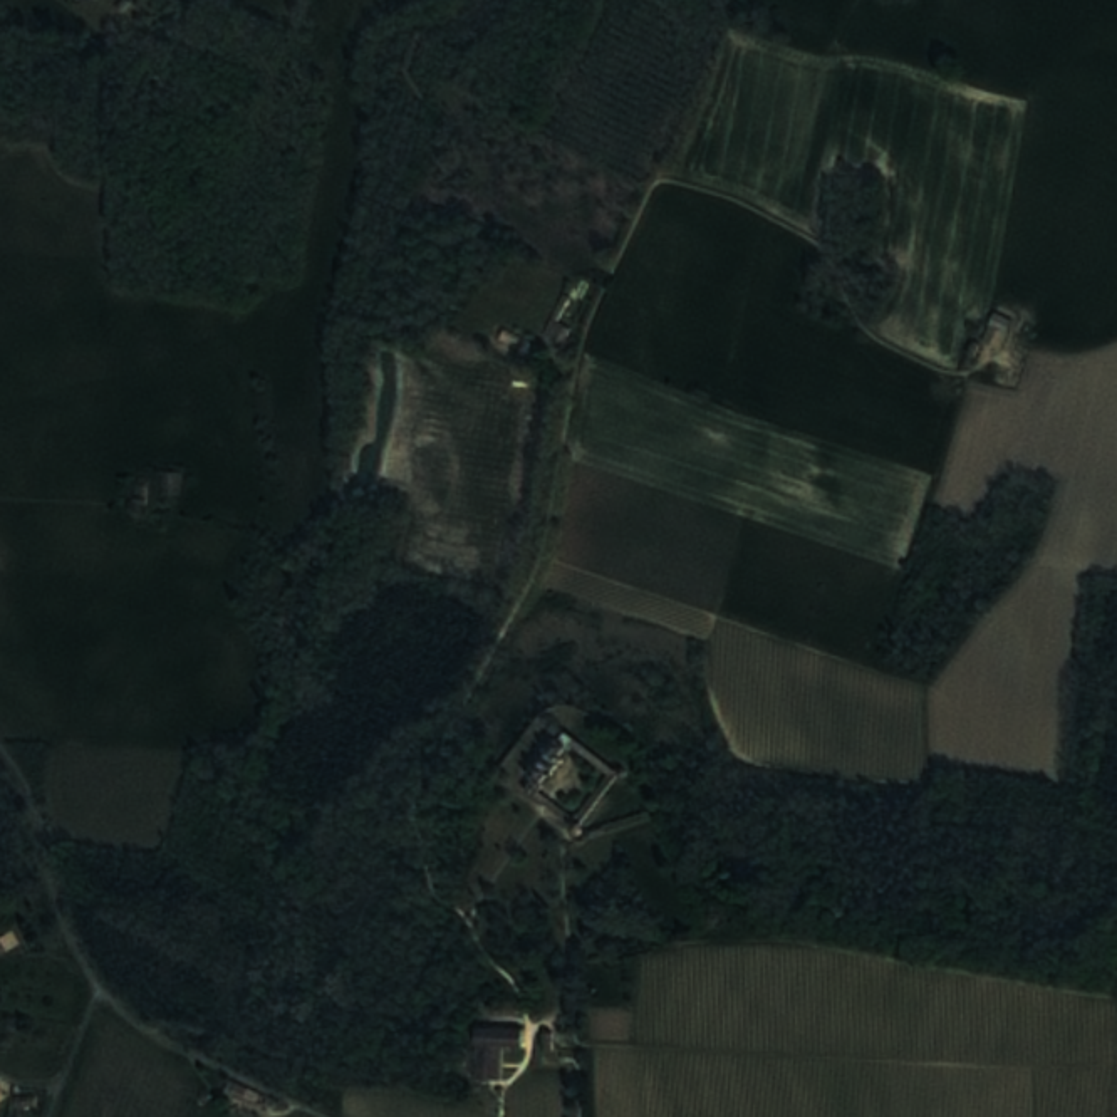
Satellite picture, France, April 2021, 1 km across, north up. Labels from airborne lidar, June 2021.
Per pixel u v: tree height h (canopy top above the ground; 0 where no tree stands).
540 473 28
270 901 17
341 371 19
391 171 15
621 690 0
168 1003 9
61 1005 0
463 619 10
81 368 0
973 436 0
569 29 21
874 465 0
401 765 24
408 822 24
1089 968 19
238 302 26
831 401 0
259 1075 20
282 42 21
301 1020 24
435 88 12
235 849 15
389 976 21
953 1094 0
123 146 21
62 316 0
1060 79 0
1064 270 0
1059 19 0
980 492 0
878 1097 0
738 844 24
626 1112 0
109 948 13
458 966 16
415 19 24
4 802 23
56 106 18
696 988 0
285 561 16
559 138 17
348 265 18
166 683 0
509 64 21
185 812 10
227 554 0
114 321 0
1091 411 0
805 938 18
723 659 0
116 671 0
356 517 28
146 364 0
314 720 16
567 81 23
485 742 20
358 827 23
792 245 0
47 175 0
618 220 13
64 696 0
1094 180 0
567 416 26
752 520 0
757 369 0
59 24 20
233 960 17
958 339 0
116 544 0
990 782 15
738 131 0
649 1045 0
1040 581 0
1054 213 0
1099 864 21
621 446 0
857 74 0
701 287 0
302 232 19
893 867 20
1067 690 16
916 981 0
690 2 20
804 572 0
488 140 9
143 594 0
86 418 0
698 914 16
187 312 0
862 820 20
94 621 0
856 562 0
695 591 0
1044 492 13
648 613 0
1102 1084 0
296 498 0
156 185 24
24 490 0
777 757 0
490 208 0
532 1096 0
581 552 0
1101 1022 0
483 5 19
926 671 11
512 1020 0
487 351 20
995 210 0
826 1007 0
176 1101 0
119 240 17
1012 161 0
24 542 0
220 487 0
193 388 0
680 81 19
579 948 16
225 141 24
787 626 0
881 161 0
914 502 0
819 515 0
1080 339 0
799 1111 0
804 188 0
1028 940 21
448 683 13
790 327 0
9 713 0
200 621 0
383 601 14
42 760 8
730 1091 0
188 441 0
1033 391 0
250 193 24
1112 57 0
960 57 13
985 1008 0
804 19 0
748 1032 0
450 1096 11
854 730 0
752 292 0
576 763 10
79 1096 0
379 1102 0
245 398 0
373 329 19
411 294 19
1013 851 25
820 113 0
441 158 18
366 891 24
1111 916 27
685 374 0
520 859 18
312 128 23
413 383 0
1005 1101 0
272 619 6
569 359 25
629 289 0
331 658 10
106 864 12
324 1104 12
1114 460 0
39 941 15
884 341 0
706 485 0
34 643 0
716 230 0
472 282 25
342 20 0
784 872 27
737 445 0
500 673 20
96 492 0
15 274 0
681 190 0
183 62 23
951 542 13
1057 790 11
